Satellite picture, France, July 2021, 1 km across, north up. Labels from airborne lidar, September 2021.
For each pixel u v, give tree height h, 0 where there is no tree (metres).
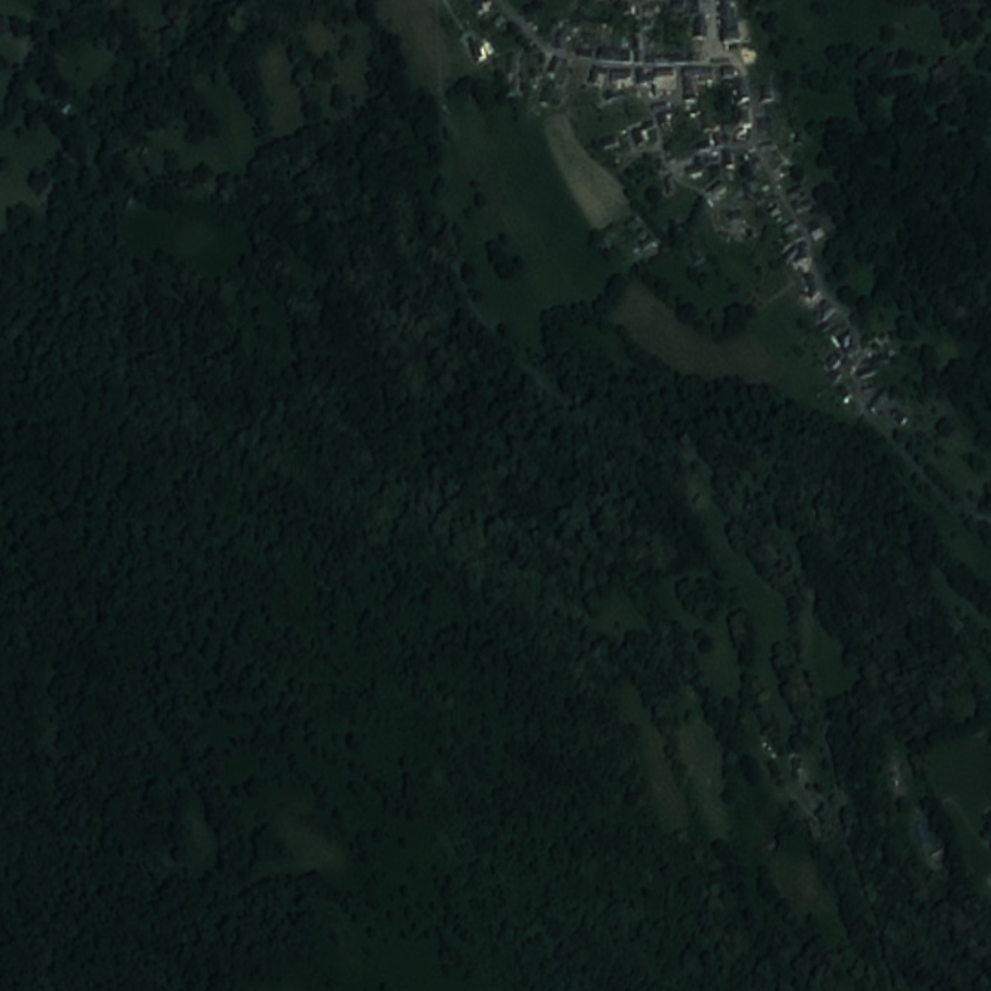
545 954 16
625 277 13
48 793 9
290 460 23
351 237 23
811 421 19
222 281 16
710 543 22
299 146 26
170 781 7
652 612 14
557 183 0
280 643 7
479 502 6
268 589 18
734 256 0
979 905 22
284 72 0
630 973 18
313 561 21
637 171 6
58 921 16
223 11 28
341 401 9
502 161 0
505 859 10
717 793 0
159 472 23
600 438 19
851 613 26
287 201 23
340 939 16
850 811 17
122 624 19
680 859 8
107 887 25
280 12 21
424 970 0
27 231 9
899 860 18
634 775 18
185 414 19
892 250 19
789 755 11
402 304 7
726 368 0
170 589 19
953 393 11
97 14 22
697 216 14
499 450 21
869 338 7
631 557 17
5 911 26
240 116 0
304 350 18
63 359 10
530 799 9
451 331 11
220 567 13
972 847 0
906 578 24
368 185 26
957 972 24
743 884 8
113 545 24
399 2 0
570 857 6
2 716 19
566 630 19
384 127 32
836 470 15
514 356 21
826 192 19
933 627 23
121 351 22
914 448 19
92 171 28
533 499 12
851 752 23
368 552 9
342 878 0
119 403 26
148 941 25
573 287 0
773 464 25
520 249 0
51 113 24
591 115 0
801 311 0
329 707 10
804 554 16
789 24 0
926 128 23
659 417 25
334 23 16
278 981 7
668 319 0
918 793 0
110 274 16
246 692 16
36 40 10
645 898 14
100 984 27
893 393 11
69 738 17
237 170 0
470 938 24
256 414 26
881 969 19
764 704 22
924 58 15
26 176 0
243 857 18
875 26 0
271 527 12
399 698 7
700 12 0
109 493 21
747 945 19
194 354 11
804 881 0
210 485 28
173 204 25
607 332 8
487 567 23
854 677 0
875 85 20
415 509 20
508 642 9
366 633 10
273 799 0
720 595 22
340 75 8
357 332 13
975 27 19
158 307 21
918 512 28
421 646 7
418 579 18
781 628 0
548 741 21
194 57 26
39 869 20
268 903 19
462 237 12
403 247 27
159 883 16
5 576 30
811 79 13
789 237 11
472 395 19
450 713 10
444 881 7
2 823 11
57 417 24
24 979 26
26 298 10
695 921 11
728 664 0
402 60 18
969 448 0
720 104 8
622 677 19
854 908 18
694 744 0
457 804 9
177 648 22
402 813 15
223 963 16
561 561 9
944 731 20
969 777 0
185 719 14
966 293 19
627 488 15
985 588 23
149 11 0
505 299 0
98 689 21
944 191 8
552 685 13
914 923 25
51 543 22
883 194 29
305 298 26
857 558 24
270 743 9
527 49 8
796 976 7
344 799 8
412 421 24
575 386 24
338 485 27
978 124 27
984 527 19
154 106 29
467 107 0
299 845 0
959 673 21
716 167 7
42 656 21
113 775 21
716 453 22
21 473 27
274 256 22
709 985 17
